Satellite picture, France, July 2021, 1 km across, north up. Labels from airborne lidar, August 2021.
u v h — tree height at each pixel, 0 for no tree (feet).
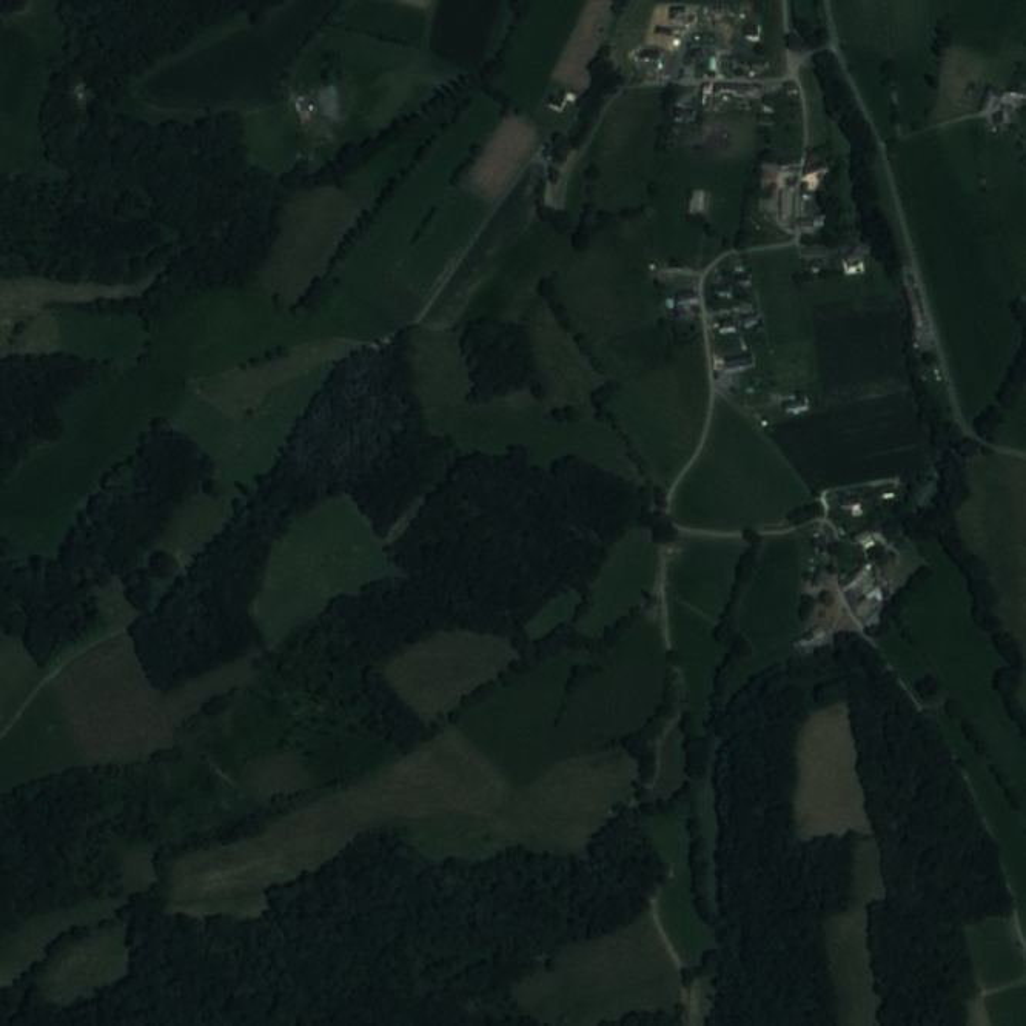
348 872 46
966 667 0
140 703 0
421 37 0
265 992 60
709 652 0
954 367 0
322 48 0
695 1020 0
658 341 0
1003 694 65
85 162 76
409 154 0
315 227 0
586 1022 0
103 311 61
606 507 88
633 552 0
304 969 71
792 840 54
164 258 66
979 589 72
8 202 78
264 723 0
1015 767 0
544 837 0
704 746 65
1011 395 74
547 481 72
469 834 0
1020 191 0
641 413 0
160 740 0
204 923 59
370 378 63
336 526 0
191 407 0
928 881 95
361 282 0
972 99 0
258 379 0
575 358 0
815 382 0
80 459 0
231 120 78
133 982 44
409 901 66
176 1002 79
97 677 0
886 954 73
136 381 0
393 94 0
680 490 0
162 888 46
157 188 59
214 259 86
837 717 0
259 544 66
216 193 70
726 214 0
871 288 0
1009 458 0
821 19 21
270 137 0
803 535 0
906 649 0
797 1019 102
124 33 83
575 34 0
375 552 0
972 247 0
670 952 0
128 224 27
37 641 79
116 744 0
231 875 0
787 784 65
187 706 0
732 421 0
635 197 0
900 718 76
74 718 0
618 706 0
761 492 0
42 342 0
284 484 60
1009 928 0
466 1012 74
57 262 29
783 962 83
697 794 71
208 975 89
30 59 0
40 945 0
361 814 0
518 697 0
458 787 0
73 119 51
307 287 0
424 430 73
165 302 73
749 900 89
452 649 0
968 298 0
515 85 0
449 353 0
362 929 85
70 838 94
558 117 0
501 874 84
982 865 71
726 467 0
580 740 0
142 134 89
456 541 46
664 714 47
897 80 34
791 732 73
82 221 46
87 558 94
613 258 0
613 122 0
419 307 0
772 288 0
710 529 0
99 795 84
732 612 50
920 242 0
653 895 60
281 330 0
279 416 0
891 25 0
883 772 78
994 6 0
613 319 0
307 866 0
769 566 0
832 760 0
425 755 0
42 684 0
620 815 30
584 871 75
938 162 0
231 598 91
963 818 56
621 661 0
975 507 0
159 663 58
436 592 69
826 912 63
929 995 73
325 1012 58
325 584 0
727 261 0
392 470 63
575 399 0
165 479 56
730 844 80
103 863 65
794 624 0
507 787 0
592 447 0
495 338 59
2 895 91
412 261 0
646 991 0
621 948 0
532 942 73
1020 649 62
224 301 0
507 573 75
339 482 57
